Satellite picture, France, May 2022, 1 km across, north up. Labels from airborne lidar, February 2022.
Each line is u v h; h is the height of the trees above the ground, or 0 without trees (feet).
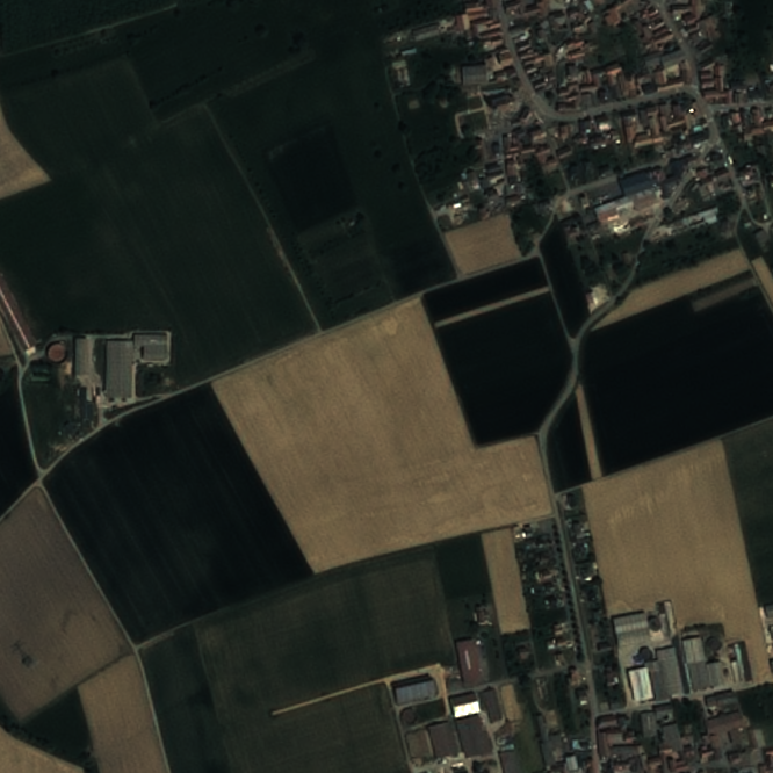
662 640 0
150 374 0
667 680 0
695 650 0
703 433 0
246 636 0
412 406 0
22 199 0
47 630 0
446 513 0
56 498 0
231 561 0
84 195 0
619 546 0
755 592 0
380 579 0
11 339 0
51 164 0
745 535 0
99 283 0
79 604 0
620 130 0
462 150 0
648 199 0
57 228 0
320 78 0
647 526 0
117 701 0
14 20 0
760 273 0
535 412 0
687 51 0
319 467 0
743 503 0
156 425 0
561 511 0
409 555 0
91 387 0
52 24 0
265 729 0
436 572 0
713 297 0
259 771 0
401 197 0
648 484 0
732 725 0
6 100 0
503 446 0
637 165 0
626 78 0
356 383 0
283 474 0
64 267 0
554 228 0
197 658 0
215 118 0
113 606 0
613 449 0
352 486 0
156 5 0
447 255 0
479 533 0
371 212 0
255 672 0
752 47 0
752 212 0
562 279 0
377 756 0
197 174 0
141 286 0
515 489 0
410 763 0
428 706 0
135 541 0
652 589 0
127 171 0
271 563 0
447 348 0
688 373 0
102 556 0
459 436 0
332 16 0
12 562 0
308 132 0
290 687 0
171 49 0
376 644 0
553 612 0
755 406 0
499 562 0
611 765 0
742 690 0
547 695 0
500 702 0
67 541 0
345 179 0
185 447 0
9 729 44
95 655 0
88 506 0
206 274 0
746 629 0
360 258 0
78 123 0
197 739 0
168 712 0
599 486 0
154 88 0
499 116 0
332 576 0
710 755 0
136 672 0
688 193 0
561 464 0
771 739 0
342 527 0
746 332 0
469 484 0
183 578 0
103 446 0
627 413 0
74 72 0
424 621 0
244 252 0
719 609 0
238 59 0
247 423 0
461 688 0
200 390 0
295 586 0
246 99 0
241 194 0
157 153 0
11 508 0
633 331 0
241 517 0
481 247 0
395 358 0
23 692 0
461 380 0
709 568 0
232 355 0
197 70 0
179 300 0
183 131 0
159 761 0
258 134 0
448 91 27
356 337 0
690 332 0
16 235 0
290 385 0
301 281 0
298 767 0
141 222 0
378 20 0
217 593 0
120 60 0
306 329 0
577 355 0
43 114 0
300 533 0
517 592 0
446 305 0
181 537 0
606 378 0
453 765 0
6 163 0
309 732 0
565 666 0
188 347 0
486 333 0
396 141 0
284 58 0
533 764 0
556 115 0
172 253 0
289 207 0
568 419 0
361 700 0
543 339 0
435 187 0
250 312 0
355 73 0
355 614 0
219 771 0
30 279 0
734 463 0
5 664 0
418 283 0
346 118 0
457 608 0
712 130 0
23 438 0
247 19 0
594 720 0
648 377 0
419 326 0
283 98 0
